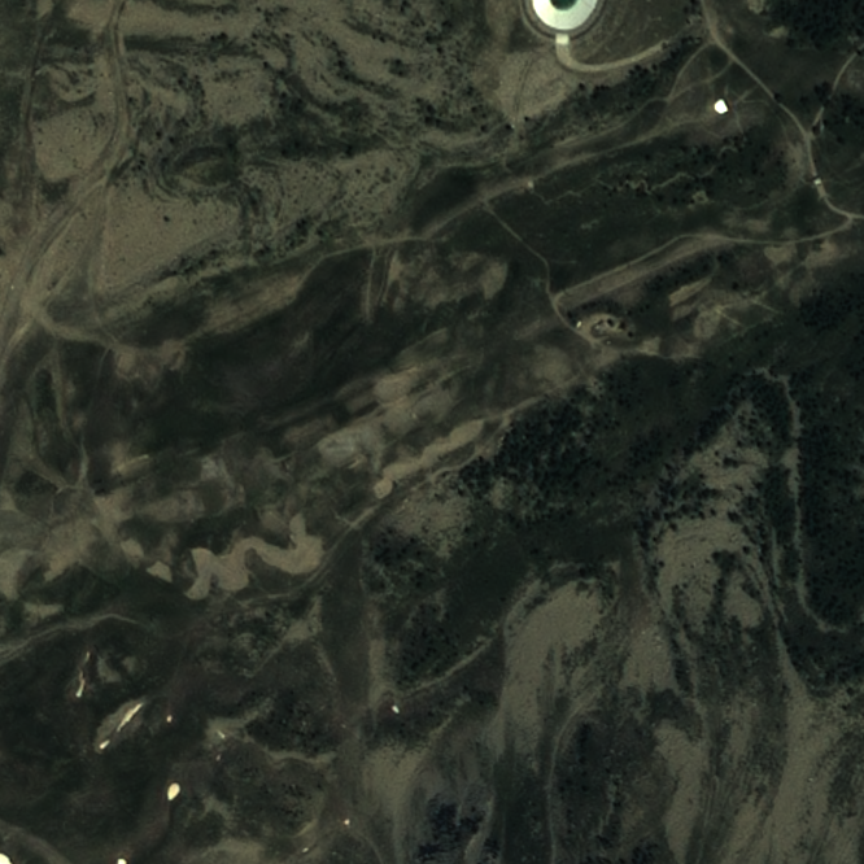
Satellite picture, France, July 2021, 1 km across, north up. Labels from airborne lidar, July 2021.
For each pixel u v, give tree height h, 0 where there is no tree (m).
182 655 0
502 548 0
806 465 10
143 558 0
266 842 0
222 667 0
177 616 0
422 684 0
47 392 0
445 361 0
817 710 0
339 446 0
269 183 0
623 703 0
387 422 0
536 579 0
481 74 0
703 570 0
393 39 0
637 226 0
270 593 0
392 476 0
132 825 0
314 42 0
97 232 0
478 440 0
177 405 0
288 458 0
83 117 0
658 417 0
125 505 0
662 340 0
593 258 0
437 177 0
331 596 0
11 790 0
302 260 0
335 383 0
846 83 0
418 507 0
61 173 0
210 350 0
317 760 0
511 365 0
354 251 0
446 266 0
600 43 0
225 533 0
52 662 0
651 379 0
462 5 0
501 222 0
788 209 0
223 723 0
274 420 0
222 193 0
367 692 0
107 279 0
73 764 0
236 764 0
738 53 0
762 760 0
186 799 0
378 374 0
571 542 0
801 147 0
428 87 0
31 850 0
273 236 0
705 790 0
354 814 0
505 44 0
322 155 0
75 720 0
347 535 0
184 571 0
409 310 0
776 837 0
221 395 0
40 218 0
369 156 0
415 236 0
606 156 0
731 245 0
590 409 0
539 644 0
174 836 0
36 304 0
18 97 0
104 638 0
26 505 0
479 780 0
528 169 0
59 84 0
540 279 0
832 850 0
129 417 0
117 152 0
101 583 0
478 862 0
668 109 0
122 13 0
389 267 0
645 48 0
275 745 0
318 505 0
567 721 0
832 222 0
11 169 0
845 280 0
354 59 0
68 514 0
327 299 0
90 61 0
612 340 0
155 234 0
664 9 0
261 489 0
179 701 0
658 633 0
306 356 0
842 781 0
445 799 0
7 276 0
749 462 0
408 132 0
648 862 13
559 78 0
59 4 0
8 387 0
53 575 0
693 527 0
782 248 0
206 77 0
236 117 0
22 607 0
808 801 0
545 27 0
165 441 0
